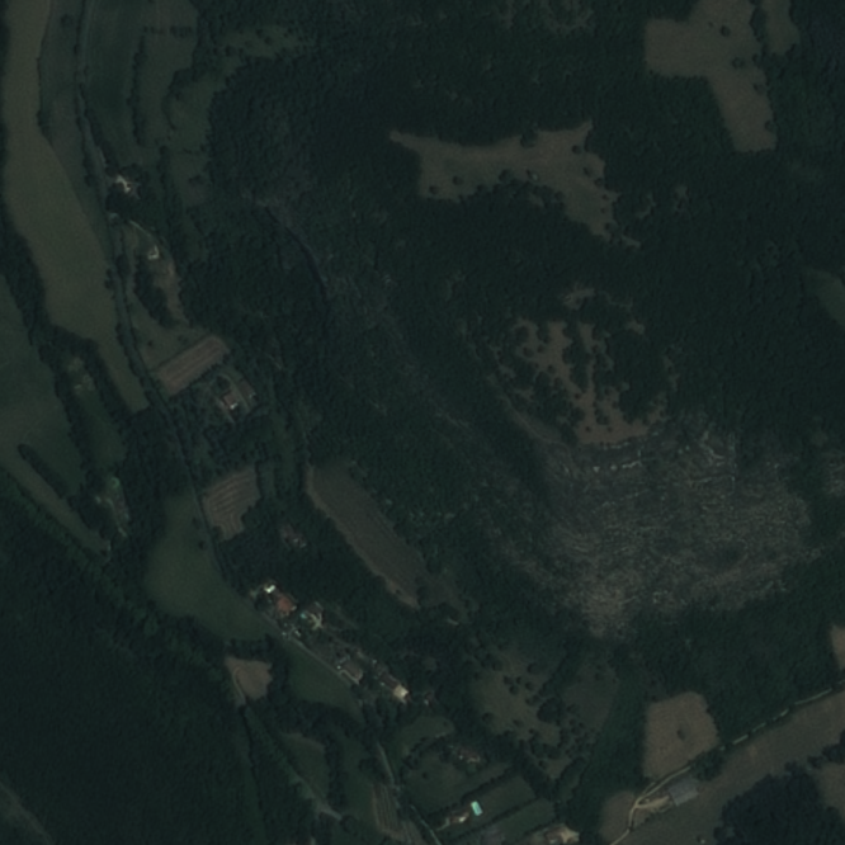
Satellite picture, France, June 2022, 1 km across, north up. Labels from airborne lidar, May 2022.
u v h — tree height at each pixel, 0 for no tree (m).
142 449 17
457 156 0
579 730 8
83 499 11
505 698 0
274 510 14
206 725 15
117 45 0
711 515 0
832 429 11
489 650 14
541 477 10
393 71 11
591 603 0
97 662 16
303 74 13
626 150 11
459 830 0
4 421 0
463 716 17
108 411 8
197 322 10
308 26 8
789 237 15
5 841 13
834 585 14
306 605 10
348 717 14
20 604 7
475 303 12
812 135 6
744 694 6
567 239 16
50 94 0
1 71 14
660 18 11
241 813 15
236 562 17
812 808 17
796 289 15
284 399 15
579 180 0
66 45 0
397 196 11
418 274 11
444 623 8
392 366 6
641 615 9
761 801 35
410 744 0
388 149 14
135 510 19
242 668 0
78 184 0
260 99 10
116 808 10
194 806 17
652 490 10
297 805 13
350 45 12
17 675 12
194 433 8
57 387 13
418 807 6
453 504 9
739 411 7
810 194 11
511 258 8
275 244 15
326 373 8
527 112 11
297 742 0
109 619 18
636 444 8
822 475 9
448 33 10
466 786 0
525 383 9
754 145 0
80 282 0
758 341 14
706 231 13
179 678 21
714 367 11
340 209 6
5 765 11
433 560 11
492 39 10
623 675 9
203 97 0
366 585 9
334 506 0
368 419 12
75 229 0
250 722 26
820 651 9
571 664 15
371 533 0
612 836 0
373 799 0
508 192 18
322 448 12
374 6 9
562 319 9
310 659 0
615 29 12
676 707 0
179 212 7
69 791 7
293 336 8
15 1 0
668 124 8
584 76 13
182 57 0
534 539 5
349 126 13
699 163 11
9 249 17
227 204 6
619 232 12
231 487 0
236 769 11
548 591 7
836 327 16
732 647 11
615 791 6
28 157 0
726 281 14
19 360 0
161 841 11
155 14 0
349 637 11
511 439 11
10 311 0
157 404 12
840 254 13
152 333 0
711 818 0
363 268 9
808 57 10
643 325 8
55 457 0
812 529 7
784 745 0
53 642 14
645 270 14
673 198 11
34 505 7
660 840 0
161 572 0
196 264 11
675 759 0
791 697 12
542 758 14
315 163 7
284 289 12
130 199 11
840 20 18
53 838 9
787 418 12
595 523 9
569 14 7
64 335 13
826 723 0
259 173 9
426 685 16
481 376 6
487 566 7
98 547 0
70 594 25
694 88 11
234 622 0
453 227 16
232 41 0
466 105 9
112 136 0
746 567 6
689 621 9
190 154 10
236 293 9
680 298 13
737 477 8
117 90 0
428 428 8
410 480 9
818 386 16
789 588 8
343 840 0
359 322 7
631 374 11
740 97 0
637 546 0
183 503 0
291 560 14
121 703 12
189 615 0
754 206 14
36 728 14
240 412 18
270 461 19
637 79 12
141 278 18
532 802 7
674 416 7
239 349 5
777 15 0
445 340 9
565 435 8
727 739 8
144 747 15
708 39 0
